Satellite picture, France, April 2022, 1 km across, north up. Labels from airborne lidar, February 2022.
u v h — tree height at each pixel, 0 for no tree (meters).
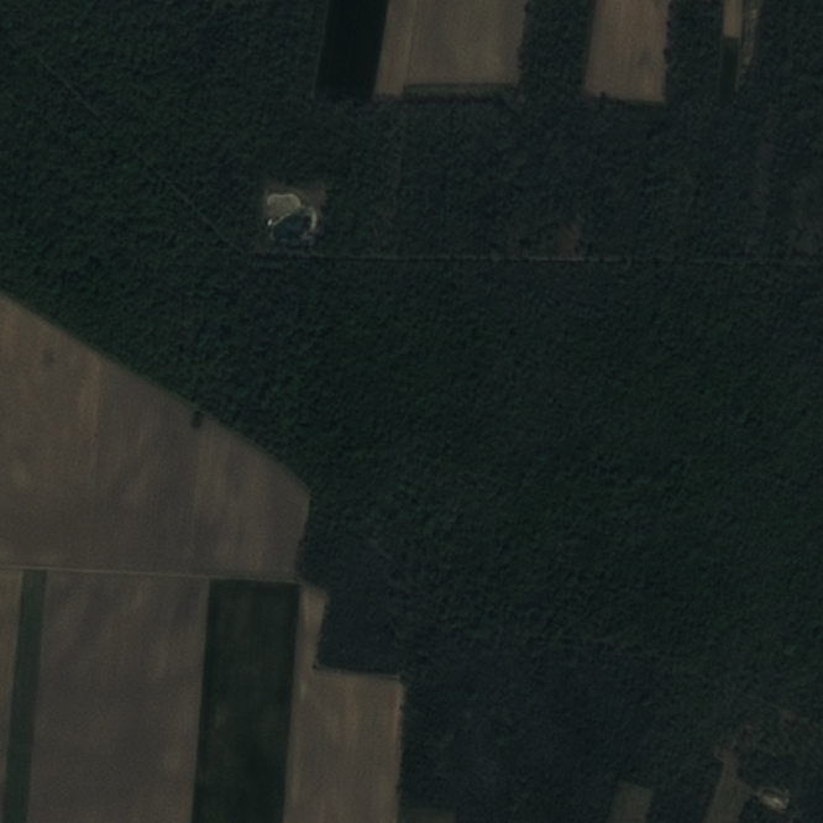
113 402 0
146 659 0
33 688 0
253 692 0
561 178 12
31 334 0
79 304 12
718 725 11
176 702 0
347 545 11
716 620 11
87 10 13
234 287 11
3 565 0
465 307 13
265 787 0
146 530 0
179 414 0
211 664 0
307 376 7
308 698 0
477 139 19
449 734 15
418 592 13
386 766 0
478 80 0
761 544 9
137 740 0
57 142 15
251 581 0
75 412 0
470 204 10
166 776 0
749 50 0
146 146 14
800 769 11
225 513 0
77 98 9
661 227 10
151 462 0
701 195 12
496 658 20
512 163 16
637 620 17
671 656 12
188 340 15
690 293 11
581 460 14
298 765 0
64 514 0
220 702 0
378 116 14
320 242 13
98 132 12
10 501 0
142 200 13
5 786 0
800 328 9
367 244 10
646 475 21
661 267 14
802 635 12
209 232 13
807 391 11
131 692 0
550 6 10
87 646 0
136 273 14
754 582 11
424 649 13
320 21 15
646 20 0
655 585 16
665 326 12
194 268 11
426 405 11
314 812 0
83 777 0
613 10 0
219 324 10
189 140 12
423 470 6
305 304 10
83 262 14
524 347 11
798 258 15
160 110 12
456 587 17
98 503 0
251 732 0
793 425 8
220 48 13
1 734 0
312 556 10
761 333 14
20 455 0
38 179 16
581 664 19
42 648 0
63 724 0
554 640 17
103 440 0
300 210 0
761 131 15
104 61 11
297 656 0
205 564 0
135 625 0
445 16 0
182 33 11
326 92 0
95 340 10
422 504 15
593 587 16
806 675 15
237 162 12
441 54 0
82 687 0
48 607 0
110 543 0
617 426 9
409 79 0
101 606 0
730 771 0
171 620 0
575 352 11
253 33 12
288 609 0
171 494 0
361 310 18
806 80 11
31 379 0
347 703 0
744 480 10
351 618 18
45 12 9
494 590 11
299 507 0
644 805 0
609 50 0
